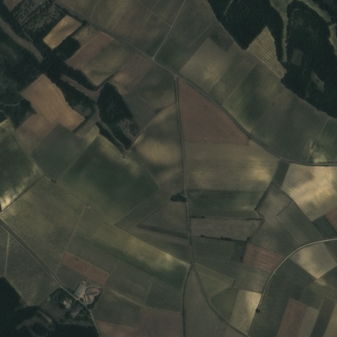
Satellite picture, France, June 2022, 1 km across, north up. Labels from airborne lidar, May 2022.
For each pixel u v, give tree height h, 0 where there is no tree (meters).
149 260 0
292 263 0
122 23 0
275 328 0
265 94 0
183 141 0
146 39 0
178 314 0
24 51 15
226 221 0
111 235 0
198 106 0
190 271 0
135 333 0
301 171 0
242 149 0
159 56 0
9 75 10
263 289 0
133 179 0
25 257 0
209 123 0
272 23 9
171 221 0
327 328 0
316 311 0
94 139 0
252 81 0
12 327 15
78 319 8
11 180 0
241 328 0
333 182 0
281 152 0
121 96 12
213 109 0
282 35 15
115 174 0
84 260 0
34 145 0
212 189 0
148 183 0
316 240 0
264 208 0
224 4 11
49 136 0
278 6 0
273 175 0
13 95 10
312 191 0
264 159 0
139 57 0
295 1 14
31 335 12
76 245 0
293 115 0
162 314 0
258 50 0
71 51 13
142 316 0
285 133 0
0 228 0
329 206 0
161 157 0
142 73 0
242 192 0
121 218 0
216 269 0
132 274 0
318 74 16
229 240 11
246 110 0
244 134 0
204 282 0
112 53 0
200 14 0
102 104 14
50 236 0
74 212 0
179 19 0
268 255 0
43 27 9
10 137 0
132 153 0
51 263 0
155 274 0
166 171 0
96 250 0
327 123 0
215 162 0
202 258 0
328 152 0
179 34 0
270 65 0
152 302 0
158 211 0
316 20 11
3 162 0
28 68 7
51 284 0
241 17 7
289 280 0
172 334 0
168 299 0
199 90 0
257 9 11
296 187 0
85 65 0
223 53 0
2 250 0
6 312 14
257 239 0
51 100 0
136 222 0
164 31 0
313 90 12
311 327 0
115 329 0
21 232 0
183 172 0
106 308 0
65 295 7
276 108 0
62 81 17
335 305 0
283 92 0
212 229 0
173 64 0
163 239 0
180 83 0
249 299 0
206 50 0
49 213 0
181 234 0
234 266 0
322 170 0
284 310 0
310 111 0
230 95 0
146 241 0
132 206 0
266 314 0
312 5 0
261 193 0
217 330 0
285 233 0
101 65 0
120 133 8
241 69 0
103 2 0
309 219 0
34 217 0
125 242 0
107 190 0
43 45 8
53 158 0
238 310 0
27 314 17
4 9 13
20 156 0
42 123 0
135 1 0
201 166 0
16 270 0
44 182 0
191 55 0
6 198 0
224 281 0
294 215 0
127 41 0
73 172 0
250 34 16
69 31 0
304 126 0
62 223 0
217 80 0
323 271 0
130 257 0
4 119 7
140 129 0
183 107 0
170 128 0
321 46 12
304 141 0
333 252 0
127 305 0
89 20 0
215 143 0
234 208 0
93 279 0
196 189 0
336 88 12
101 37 0
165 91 0
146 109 0
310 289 0
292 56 6
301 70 13
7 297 13
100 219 0
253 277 0
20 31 14
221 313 0
